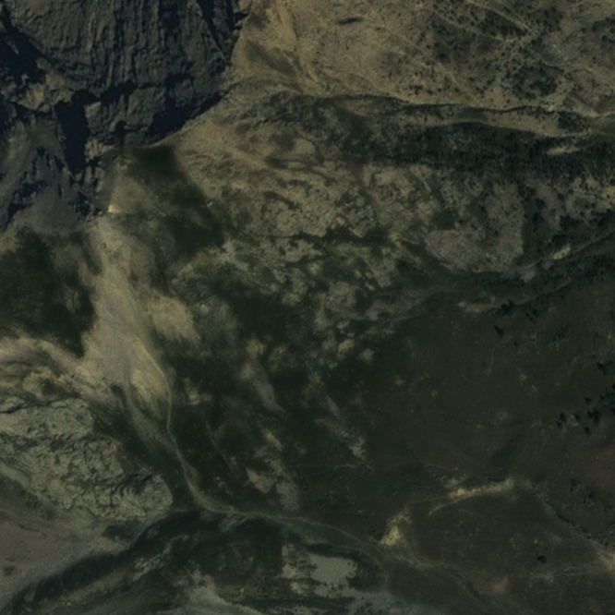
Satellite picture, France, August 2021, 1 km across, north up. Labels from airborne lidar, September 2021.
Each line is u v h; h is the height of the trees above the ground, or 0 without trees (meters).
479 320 0
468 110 0
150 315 0
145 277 0
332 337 0
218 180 0
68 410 0
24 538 0
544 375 0
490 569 0
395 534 0
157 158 0
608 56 0
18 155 0
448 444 0
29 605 0
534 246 0
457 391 0
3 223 0
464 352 0
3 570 0
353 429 0
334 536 0
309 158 0
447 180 7
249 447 0
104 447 0
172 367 0
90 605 0
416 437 0
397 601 0
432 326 0
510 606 0
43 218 0
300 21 0
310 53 0
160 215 0
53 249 0
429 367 0
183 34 0
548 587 0
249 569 0
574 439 0
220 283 0
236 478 0
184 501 0
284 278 0
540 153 12
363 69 0
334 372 0
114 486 0
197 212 0
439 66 0
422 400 0
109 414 0
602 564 0
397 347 0
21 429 0
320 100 0
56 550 0
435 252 0
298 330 0
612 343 0
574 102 0
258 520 0
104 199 0
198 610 0
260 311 0
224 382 0
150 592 0
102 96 0
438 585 0
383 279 0
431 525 0
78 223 0
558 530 0
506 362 0
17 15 0
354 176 0
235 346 0
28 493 0
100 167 0
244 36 0
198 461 0
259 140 0
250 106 0
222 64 0
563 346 0
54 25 0
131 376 0
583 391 0
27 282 0
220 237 0
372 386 0
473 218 0
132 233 0
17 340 0
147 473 0
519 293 0
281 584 0
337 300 0
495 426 0
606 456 0
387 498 0
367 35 0
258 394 0
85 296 0
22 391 0
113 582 0
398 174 0
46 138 0
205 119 0
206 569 0
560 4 0
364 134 0
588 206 6
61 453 0
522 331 0
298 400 0
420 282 0
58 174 0
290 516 0
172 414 0
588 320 0
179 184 0
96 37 0
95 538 0
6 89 0
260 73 0
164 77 0
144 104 0
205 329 0
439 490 0
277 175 0
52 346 0
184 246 0
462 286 0
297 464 0
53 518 0
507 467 0
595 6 0
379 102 0
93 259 0
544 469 0
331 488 0
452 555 0
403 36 0
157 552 0
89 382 0
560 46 0
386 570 0
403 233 0
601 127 0
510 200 0
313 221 0
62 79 0
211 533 0
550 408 0
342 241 0
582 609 0
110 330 0
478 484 0
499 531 0
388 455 0
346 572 0
